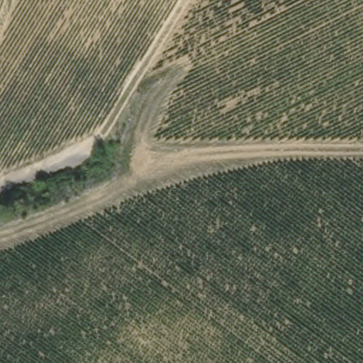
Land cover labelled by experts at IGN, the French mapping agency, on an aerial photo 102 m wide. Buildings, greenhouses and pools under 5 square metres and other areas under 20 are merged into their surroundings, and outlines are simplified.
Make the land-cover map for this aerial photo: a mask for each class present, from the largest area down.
<instances>
[{"label":"vineyard","instance_id":"1","mask_svg":"<svg viewBox=\"0 0 363 363\"><path fill-rule=\"evenodd\" d=\"M177 0H0V173L18 172L45 157L57 155L69 146L77 145L85 135L89 129L96 128L105 121L106 115L118 99V89L122 88L136 62L145 55ZM197 9L187 11L184 16L186 24H183V33L173 35V45L164 48L162 58L156 62V67L160 68L164 62L179 60L183 55H187L193 68L183 81L177 82L173 91L176 99L167 109L169 118L163 119L169 128L157 130L155 138L363 139V0H196ZM0 363H363V157L278 159L245 169L197 177L176 186L156 190L155 193L133 196L132 199L122 201L121 213H116V206L105 207L104 214H94L54 233L41 235L35 240L0 251Z\"/></svg>","mask_w":363,"mask_h":363},{"label":"herbaceous vegetation","instance_id":"2","mask_svg":"<svg viewBox=\"0 0 363 363\"><path fill-rule=\"evenodd\" d=\"M197 9L196 0H177L145 55L136 62L122 88L118 89V99L106 115L105 121L96 128L89 129L85 135L95 140H128L129 129L132 126L138 128L135 132V149L130 157L132 172L128 176L125 174L122 177H111L99 186L82 191L79 196L71 197L68 201H60L54 206L45 207L44 210L28 213L27 217L16 218L9 223L0 220V251L35 240L41 235L54 233L94 214H104L105 207L116 206V213H121L122 201L132 199L133 196L155 193L156 190L176 186L197 177L245 169L278 159L363 157V139L155 138L157 130L169 128L163 119L169 118L167 109L176 99L173 91L177 82L183 81L193 68L187 55H183L179 60L164 62L160 68L156 67V62L162 58L164 48L173 45V35L183 33V24H186L184 16L187 11Z\"/></svg>","mask_w":363,"mask_h":363},{"label":"coniferous trees","instance_id":"3","mask_svg":"<svg viewBox=\"0 0 363 363\"><path fill-rule=\"evenodd\" d=\"M138 128L132 126L129 129L128 140H95L91 155L78 166L64 167L54 172L40 170L35 173L33 180L17 183L9 181L0 190V220L9 223L16 218L27 217L28 213L44 210L45 207L54 206L60 201H68L71 197L79 196L82 191L99 186L111 177H122L125 174L128 176L132 172L130 157L135 149V132Z\"/></svg>","mask_w":363,"mask_h":363},{"label":"impervious surface","instance_id":"4","mask_svg":"<svg viewBox=\"0 0 363 363\"><path fill-rule=\"evenodd\" d=\"M77 145L69 146L57 155L45 157L18 172L0 173V190L9 181L17 183L33 180L35 173L40 170L54 172L64 167L78 166L91 155L95 140L85 135Z\"/></svg>","mask_w":363,"mask_h":363}]
</instances>
